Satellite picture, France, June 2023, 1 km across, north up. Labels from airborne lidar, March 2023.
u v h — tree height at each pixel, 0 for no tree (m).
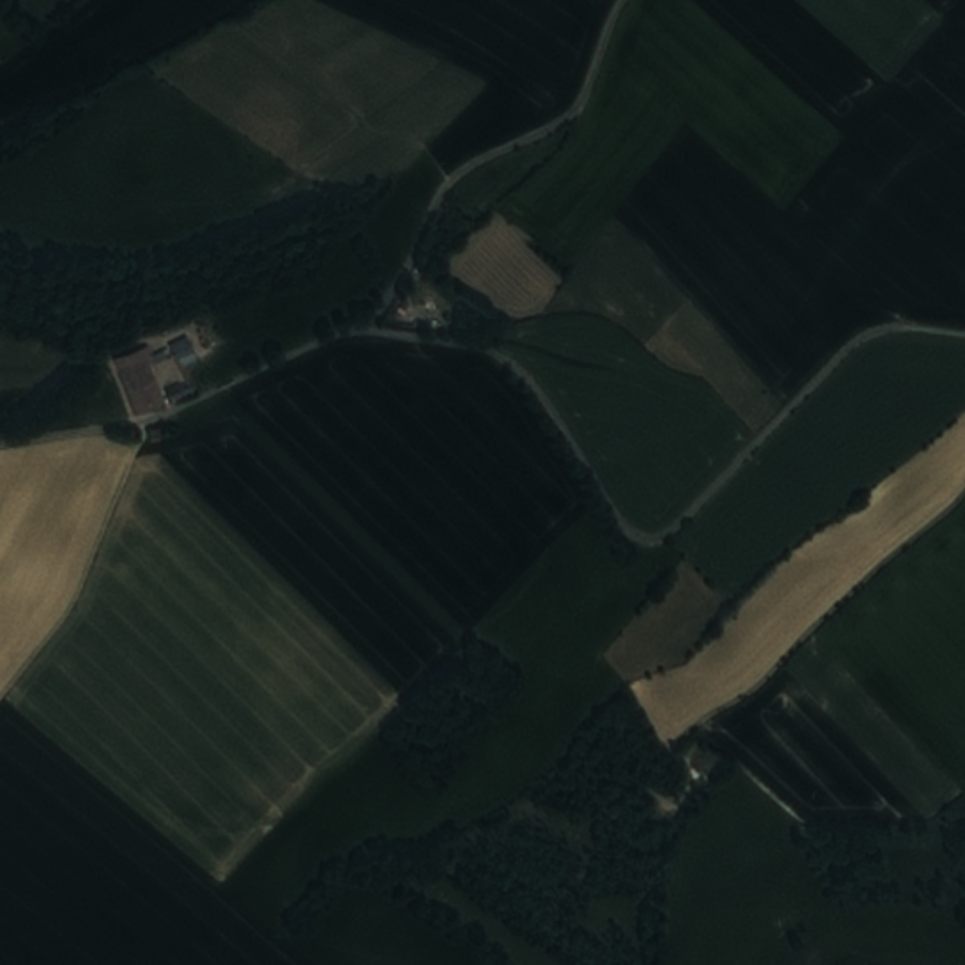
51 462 0
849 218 0
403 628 0
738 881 0
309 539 0
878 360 0
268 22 0
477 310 13
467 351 0
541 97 0
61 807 0
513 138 0
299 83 0
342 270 0
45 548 0
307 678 0
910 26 0
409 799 0
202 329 0
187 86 0
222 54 0
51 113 16
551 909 18
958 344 0
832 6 0
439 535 0
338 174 0
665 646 0
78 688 0
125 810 0
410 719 25
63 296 30
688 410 0
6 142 18
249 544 0
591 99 0
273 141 0
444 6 0
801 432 0
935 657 0
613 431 0
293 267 22
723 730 0
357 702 0
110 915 0
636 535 0
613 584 0
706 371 0
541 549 0
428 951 0
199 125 0
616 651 0
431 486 0
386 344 0
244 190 0
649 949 19
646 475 0
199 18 0
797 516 0
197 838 0
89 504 0
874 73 0
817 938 0
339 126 0
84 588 0
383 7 0
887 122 0
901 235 0
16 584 0
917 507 0
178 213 0
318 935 0
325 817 0
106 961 0
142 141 0
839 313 0
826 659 0
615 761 16
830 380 0
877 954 0
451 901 0
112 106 0
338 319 18
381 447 0
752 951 0
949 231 0
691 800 15
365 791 0
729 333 0
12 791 0
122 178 0
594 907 0
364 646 0
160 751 0
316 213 25
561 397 0
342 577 0
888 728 0
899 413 0
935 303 0
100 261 23
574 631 0
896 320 0
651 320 0
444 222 8
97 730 0
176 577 0
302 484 0
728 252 0
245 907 0
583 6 0
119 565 0
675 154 0
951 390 0
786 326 0
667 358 0
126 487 0
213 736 0
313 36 0
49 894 0
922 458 0
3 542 0
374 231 0
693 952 0
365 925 0
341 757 0
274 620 0
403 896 19
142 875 0
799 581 0
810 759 0
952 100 0
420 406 0
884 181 0
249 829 0
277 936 0
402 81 0
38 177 0
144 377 0
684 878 0
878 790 0
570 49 0
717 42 0
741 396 0
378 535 0
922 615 0
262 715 0
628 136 0
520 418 0
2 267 33
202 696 0
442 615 0
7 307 31
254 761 0
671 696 0
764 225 0
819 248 0
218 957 0
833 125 0
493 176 0
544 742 0
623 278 0
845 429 0
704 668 0
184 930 0
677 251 0
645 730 10
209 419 0
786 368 0
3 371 0
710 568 0
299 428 0
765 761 0
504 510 0
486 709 30
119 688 0
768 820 0
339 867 21
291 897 0
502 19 0
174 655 0
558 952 17
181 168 0
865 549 0
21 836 0
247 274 27
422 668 0
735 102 0
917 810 0
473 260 0
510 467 0
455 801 0
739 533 0
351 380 0
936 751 0
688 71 0
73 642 0
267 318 0
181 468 0
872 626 0
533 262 0
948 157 0
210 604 0
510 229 0
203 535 0
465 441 0
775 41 0
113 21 0
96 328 28
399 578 0
